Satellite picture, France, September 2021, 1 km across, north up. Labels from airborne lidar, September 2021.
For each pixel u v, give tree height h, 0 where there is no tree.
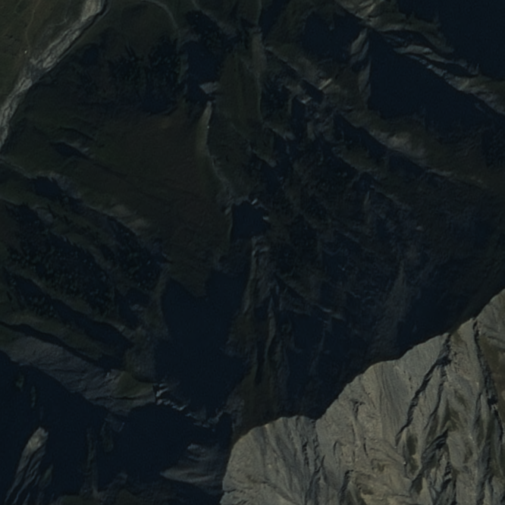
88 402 0
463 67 0
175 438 0
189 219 0
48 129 0
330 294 0
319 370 0
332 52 0
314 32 0
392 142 0
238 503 0
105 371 0
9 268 0
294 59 0
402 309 0
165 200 0
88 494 0
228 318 0
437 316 0
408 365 0
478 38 0
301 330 0
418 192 0
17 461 0
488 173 0
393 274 0
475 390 0
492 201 0
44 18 0
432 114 0
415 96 0
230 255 0
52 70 0
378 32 0
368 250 0
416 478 0
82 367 0
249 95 0
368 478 0
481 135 0
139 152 0
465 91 0
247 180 0
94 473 0
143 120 0
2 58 0
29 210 0
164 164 0
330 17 0
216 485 0
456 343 0
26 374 0
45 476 0
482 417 0
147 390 0
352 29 0
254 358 0
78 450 0
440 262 0
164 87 0
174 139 0
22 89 0
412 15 0
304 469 0
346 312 0
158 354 0
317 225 0
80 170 0
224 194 0
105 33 0
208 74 0
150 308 0
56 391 0
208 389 0
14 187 0
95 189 0
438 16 0
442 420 0
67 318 0
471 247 0
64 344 0
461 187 0
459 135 0
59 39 0
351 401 0
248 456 0
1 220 0
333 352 0
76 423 0
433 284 0
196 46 0
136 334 0
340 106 0
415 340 0
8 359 0
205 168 0
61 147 0
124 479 0
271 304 0
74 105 0
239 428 0
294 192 0
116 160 0
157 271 0
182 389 0
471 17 0
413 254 0
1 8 0
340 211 0
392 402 0
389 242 0
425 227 0
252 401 0
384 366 0
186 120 0
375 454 0
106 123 0
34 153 0
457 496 0
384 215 0
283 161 0
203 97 0
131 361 0
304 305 0
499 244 0
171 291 0
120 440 0
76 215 0
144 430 0
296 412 0
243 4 0
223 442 0
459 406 0
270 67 0
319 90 0
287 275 10
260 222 0
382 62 0
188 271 0
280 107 7
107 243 0
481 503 0
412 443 0
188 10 0
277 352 0
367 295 0
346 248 0
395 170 0
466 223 0
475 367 0
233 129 0
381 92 0
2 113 0
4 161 0
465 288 0
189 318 0
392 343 0
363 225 0
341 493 0
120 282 0
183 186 0
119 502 0
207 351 0
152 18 0
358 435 0
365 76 0
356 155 0
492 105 0
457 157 0
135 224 0
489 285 0
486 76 0
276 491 0
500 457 0
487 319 0
